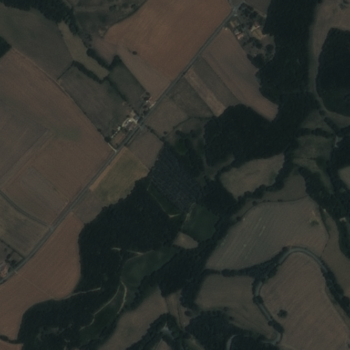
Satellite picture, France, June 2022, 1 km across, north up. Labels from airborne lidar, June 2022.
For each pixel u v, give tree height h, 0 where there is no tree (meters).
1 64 0
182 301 22
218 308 0
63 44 0
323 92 17
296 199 0
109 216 7
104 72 0
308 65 18
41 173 0
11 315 0
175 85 0
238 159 27
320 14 0
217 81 0
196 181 8
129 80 0
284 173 27
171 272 15
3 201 0
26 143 0
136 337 0
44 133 0
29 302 0
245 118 13
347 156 16
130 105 6
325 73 17
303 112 18
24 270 0
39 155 0
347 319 0
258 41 13
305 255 0
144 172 0
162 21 0
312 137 0
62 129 0
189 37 0
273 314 0
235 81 0
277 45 15
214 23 0
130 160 0
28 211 0
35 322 18
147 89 0
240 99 0
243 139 14
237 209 21
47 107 0
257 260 0
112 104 0
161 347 0
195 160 22
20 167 0
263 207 0
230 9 0
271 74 14
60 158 0
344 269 0
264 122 16
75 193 0
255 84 0
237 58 0
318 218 0
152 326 18
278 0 20
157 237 19
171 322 9
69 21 19
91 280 9
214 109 0
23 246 0
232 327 16
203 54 0
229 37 0
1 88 0
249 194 18
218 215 20
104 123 0
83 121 0
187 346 11
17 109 0
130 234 18
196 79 0
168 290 18
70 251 0
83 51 0
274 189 14
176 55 0
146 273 0
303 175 21
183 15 0
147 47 0
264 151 12
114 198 0
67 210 0
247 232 0
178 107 0
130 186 0
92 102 0
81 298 13
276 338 0
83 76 0
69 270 0
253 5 0
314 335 0
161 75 0
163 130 0
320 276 0
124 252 15
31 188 0
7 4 19
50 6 16
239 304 0
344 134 24
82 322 18
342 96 0
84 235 10
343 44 16
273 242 0
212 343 14
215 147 19
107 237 12
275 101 7
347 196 16
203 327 22
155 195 0
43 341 11
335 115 0
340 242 7
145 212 12
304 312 0
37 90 0
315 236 0
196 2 0
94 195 0
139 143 0
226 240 0
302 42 23
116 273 15
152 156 0
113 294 12
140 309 0
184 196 23
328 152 0
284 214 0
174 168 21
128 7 0
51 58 0
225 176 0
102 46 0
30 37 0
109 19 0
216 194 19
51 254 0
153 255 0
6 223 0
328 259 0
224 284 0
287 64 12
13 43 0
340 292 18
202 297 0
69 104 0
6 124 0
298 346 0
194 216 0
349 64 14
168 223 17
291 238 0
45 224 0
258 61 16
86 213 0
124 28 0
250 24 6
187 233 13
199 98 0
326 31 0
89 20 0
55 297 0
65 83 0
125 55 0
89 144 0
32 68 0
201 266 19
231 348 10
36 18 0
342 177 0
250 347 24
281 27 27
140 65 0
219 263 0
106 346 0
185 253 17
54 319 16
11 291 0
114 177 0
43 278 0
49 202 0
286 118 21
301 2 25
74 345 13
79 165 0
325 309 0
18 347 0
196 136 11
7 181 0
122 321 0
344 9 24
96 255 14
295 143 22
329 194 15
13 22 0
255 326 0
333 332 0
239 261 0
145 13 0
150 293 0
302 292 0
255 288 11
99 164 0
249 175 0
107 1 0
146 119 0
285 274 0
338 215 20
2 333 0
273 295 0
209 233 0
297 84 13
